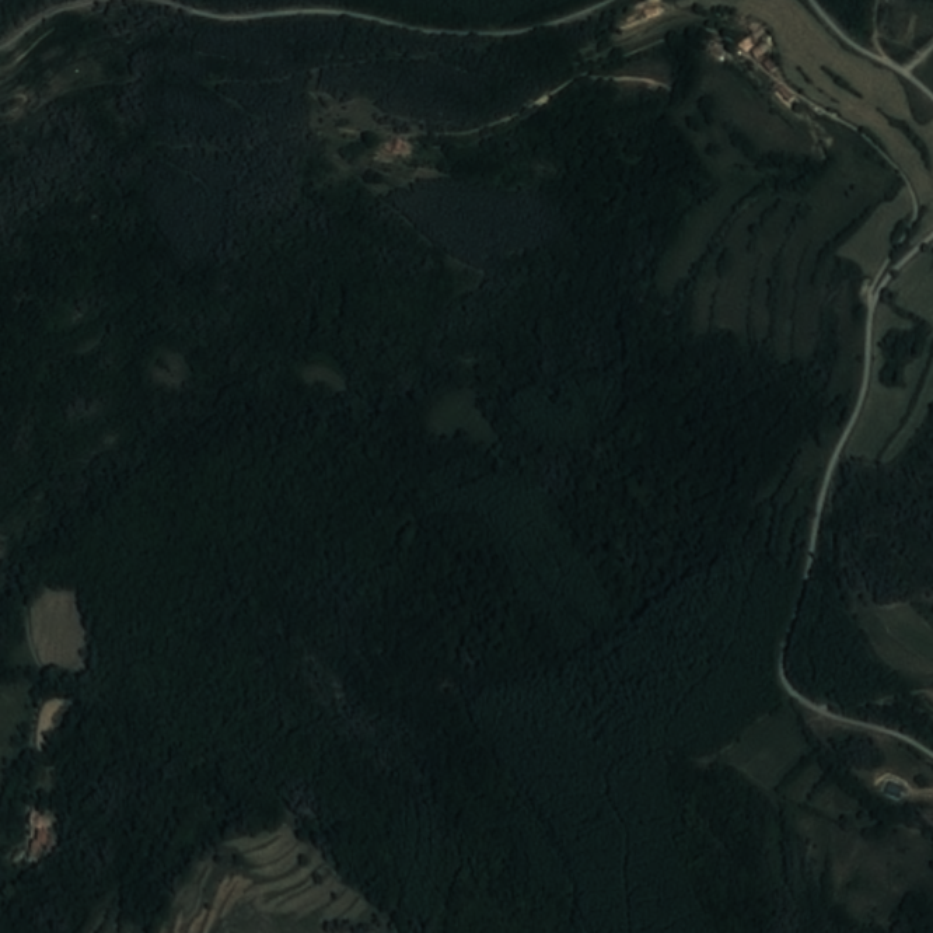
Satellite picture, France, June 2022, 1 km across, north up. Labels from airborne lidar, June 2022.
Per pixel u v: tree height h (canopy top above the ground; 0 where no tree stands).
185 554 16
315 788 19
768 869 17
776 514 7
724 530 14
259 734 18
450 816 14
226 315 17
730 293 0
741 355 7
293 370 28
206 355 23
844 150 0
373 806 17
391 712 14
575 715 22
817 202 0
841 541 13
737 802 13
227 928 0
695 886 9
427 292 16
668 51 7
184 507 13
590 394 17
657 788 14
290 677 13
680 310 6
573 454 9
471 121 9
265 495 15
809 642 17
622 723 24
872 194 0
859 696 19
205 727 14
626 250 13
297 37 10
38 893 13
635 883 17
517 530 18
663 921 17
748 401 13
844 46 0
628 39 0
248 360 9
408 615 13
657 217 14
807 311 0
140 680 17
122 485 14
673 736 14
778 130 0
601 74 8
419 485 11
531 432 16
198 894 0
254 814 22
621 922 17
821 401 8
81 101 10
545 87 17
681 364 19
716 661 21
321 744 13
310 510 17
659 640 19
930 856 0
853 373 0
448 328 17
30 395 23
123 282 21
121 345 17
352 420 25
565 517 12
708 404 14
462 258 11
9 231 20
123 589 17
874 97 0
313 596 10
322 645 8
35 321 14
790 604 10
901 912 12
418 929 16
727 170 0
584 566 18
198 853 14
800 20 0
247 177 17
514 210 11
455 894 12
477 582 17
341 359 13
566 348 9
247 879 0
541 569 16
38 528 18
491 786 19
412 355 14
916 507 6
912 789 0
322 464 19
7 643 6
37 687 7
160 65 13
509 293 21
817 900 13
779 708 8
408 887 19
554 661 15
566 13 13
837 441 0
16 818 9
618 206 21
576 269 12
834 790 0
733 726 13
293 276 21
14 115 0
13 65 0
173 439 17
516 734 15
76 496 11
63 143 15
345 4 8
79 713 11
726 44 10
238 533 14
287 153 14
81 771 9
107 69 0
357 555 22
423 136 8
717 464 8
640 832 16
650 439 12
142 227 16
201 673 18
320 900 0
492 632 24
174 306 12
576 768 15
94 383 16
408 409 17
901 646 0
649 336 21
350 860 15
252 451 13
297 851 0
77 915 15
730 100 0
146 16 14
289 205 11
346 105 9
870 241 0
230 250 21
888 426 0
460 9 17
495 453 12
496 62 10
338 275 28
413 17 8
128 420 11
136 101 20
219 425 15
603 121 12
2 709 0
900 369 8
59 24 8
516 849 18
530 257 15
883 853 0
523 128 10
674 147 16
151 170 12
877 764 13
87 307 8
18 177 11
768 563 15
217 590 13
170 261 12
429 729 14
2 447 10
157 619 12
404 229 12
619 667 23
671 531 10
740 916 13
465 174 7
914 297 0
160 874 7
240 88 11
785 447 11
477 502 17
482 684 15
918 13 0
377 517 20
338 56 9
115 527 15
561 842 16
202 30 11
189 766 18
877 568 11
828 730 0
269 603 14
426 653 16
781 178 10
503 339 20
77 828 13
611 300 9
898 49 0
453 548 19
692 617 22
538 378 14
